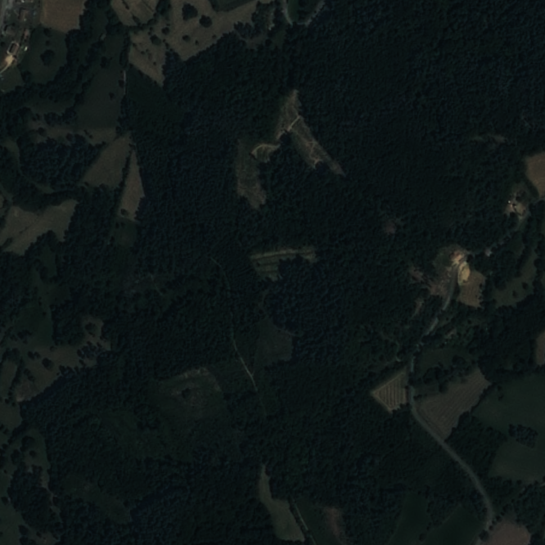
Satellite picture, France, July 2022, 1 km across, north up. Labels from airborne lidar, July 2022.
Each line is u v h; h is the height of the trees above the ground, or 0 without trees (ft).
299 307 81
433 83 66
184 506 93
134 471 60
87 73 69
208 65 56
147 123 21
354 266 62
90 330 46
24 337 75
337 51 64
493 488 19
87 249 57
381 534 41
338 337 90
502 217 30
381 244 45
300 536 0
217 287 84
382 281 51
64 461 53
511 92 74
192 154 84
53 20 0
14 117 20
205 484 83
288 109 0
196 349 44
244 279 38
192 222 37
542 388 0
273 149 0
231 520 36
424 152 66
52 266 0
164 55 0
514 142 68
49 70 0
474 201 54
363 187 69
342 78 54
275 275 0
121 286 0
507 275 77
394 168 60
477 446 30
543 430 0
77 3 0
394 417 31
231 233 38
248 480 50
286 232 58
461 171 67
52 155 114
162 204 88
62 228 0
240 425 54
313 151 0
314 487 69
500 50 18
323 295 62
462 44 86
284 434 47
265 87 67
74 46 56
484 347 73
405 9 72
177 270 76
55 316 60
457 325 28
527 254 65
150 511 91
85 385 53
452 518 0
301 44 52
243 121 85
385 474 24
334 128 78
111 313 58
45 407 79
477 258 51
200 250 95
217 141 61
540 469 0
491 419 0
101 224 57
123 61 25
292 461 52
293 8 0
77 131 0
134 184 0
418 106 26
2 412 0
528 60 77
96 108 0
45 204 37
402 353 41
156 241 98
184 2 0
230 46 45
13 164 71
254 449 50
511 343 66
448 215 37
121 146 0
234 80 49
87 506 66
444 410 0
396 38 60
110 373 64
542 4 63
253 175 0
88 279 32
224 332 31
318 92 63
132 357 88
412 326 26
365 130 62
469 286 0
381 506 46
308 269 29
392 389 0
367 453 75
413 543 0
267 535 68
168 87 56
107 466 43
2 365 45
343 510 51
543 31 67
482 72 82
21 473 37
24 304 65
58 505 60
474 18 66
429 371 23
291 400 62
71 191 60
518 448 0
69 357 0
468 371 62
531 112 88
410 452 22
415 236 54
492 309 73
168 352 42
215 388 0
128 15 0
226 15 0
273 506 0
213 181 114
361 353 28
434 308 32
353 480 80
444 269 0
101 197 79
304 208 70
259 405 63
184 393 34
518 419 0
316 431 39
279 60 103
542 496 42
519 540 0
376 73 76
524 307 83
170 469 85
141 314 74
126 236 0
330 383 45
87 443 43
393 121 83
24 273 25
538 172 0
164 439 86
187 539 35
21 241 0
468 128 52
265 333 0
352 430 37
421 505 0
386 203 48
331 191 69
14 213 0
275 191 69
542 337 0
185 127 71
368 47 65
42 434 53
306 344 58
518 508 55
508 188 45
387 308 69
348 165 67
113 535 111
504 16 55
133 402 49
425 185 64
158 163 37
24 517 46
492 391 41
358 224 64
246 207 64
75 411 72
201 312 40
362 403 50
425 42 45
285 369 62
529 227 55
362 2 62
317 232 58
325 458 56
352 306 44
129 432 0
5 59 0
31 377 64
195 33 0
